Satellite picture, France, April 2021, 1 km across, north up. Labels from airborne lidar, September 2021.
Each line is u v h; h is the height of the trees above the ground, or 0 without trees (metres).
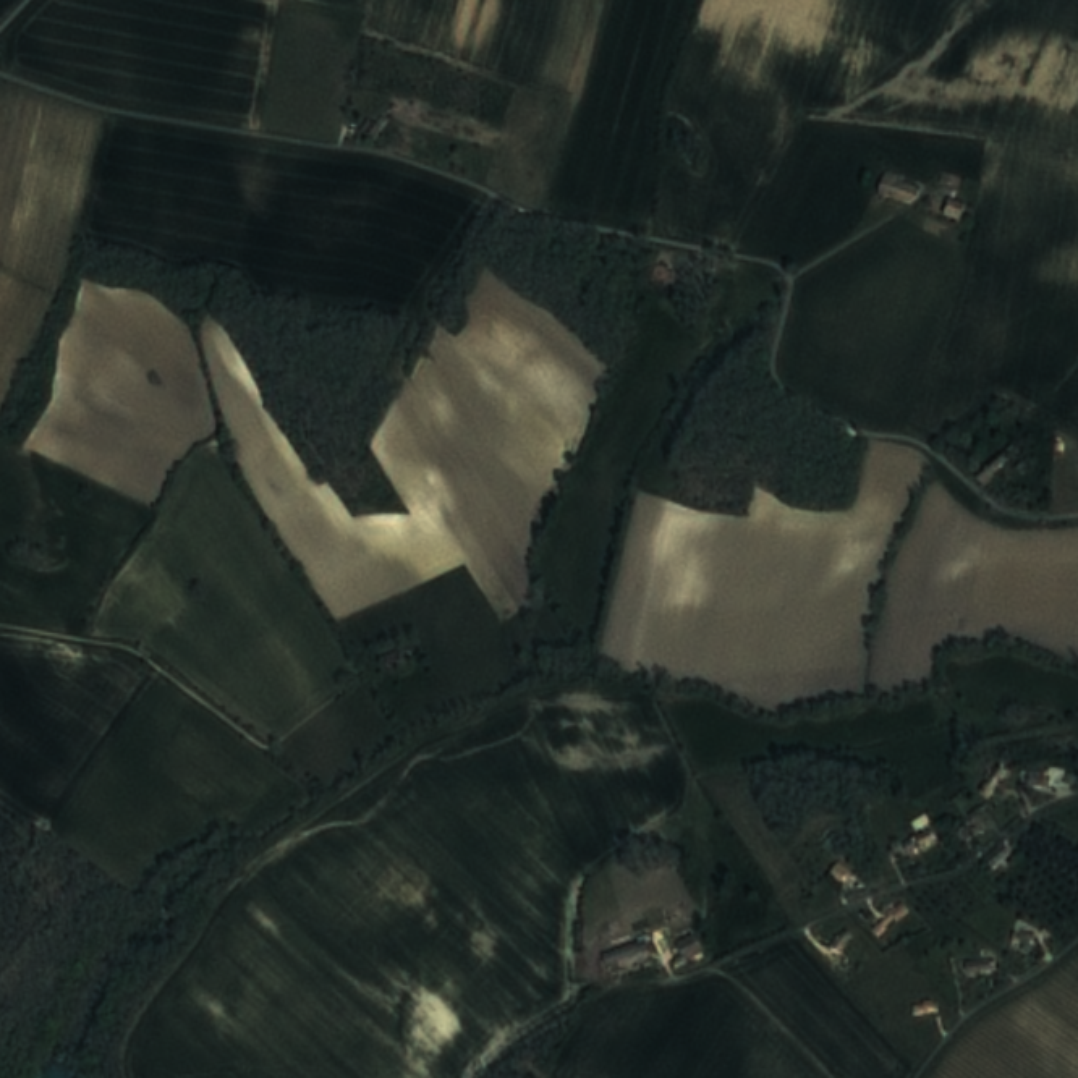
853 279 0
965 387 0
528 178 0
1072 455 0
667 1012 0
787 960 0
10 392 6
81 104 0
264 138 0
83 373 0
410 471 0
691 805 0
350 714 0
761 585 0
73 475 0
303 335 18
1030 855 8
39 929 11
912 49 0
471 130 0
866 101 0
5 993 15
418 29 0
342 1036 0
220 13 0
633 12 0
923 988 0
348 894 0
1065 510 0
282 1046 0
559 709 0
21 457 0
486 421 0
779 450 15
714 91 0
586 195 0
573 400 0
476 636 0
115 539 0
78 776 0
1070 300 0
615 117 0
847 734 0
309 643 0
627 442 0
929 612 0
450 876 0
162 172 0
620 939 0
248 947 0
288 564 9
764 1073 0
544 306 17
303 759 0
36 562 15
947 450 15
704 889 0
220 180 0
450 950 0
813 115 0
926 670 0
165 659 0
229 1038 0
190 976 0
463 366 0
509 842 0
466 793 0
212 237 0
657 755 0
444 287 11
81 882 17
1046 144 0
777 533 0
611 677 18
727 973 0
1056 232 0
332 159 0
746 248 0
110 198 0
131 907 21
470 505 0
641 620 0
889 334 0
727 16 0
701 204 0
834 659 0
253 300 14
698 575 0
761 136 0
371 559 0
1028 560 0
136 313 0
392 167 0
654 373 0
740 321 0
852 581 0
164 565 0
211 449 0
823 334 0
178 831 0
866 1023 0
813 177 0
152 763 0
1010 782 0
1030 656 13
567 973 0
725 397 22
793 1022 0
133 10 0
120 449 0
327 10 0
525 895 0
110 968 18
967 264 0
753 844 0
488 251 15
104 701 0
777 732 0
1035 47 0
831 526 0
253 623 0
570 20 0
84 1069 16
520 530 0
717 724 0
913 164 0
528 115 0
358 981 0
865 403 0
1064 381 0
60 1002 21
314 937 0
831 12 0
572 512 0
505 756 0
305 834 0
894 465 0
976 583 0
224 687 0
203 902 15
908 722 0
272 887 0
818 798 24
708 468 12
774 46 0
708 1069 0
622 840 0
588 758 0
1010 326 0
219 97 0
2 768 0
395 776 0
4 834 12
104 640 0
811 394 0
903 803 13
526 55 0
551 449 0
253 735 11
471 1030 0
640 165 0
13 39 0
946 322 0
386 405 16
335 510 0
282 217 0
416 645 16
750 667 0
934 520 0
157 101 0
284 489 0
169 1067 0
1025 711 16
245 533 0
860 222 0
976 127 0
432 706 0
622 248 17
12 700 0
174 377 0
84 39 0
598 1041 0
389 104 0
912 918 0
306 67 0
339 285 0
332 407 13
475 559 0
